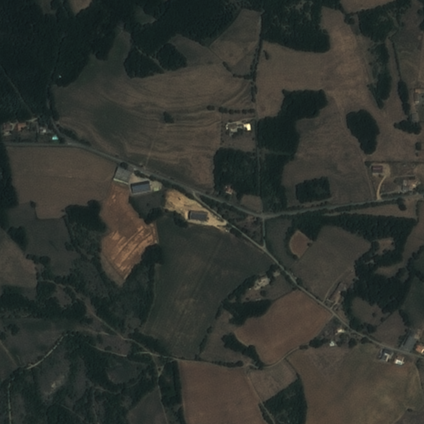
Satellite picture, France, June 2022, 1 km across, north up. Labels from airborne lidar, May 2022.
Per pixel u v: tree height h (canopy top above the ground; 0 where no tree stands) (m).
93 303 8
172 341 0
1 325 0
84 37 19
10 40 9
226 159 6
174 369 14
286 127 17
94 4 17
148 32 12
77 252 8
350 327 10
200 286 0
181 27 14
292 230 10
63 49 19
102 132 0
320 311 0
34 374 10
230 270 0
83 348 12
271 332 0
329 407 0
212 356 0
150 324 0
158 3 7
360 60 0
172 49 9
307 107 12
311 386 0
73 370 8
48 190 0
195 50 0
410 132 12
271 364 0
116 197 0
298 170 0
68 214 11
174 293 0
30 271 0
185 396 0
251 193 12
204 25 13
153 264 11
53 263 0
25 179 0
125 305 7
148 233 0
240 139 0
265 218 0
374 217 13
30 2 14
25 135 0
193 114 0
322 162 0
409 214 0
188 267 0
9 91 12
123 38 0
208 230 0
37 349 0
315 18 7
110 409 9
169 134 0
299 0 7
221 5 12
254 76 9
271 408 9
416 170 0
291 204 0
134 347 9
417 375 0
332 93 0
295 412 7
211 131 0
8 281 0
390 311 16
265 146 8
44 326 0
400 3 10
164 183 12
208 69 0
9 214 0
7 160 12
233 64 0
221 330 0
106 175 0
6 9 9
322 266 0
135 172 12
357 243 0
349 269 0
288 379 0
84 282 7
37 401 9
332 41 0
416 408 0
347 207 8
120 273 0
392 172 0
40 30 14
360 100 0
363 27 14
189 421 0
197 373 0
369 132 12
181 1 17
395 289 20
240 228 7
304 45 12
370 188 0
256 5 8
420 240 0
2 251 0
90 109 0
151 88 0
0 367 0
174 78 0
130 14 20
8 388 7
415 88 0
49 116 15
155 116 0
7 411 7
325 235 0
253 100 7
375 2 0
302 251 0
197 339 0
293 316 0
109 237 0
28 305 10
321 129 0
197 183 0
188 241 0
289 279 9
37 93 16
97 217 18
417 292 0
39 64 19
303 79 0
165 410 0
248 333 0
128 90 0
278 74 0
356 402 0
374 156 0
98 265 9
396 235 12
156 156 0
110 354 7
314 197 13
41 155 0
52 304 10
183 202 0
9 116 14
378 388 0
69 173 0
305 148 0
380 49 10
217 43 0
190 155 0
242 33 0
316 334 0
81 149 0
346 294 14
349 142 0
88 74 0
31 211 0
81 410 6
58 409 10
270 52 0
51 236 0
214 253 0
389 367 0
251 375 0
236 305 10
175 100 0
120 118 0
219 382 0
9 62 14
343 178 0
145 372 11
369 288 12
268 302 11
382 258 12
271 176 14
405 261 0
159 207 7
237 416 0
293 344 0
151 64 8
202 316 0
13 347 0
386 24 9
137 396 8
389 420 0
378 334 0
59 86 14
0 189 15
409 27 0
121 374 0
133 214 0
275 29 8
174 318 0
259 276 9
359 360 0
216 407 0
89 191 0
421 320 0
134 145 0
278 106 0
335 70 0
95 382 10
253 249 0
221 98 0
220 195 15
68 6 16
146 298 9
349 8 0
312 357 0
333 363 0
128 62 12
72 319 13
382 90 13
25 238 13
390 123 0
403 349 0
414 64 0
